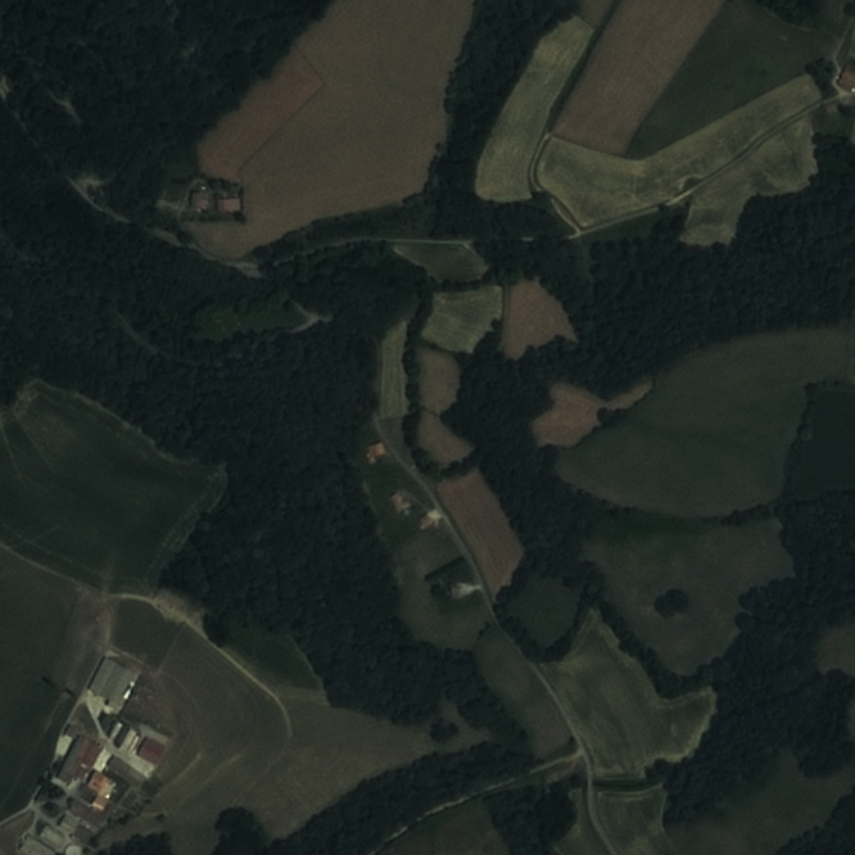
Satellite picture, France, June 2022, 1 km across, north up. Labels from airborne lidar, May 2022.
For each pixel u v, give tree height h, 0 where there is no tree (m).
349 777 0
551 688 0
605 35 0
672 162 0
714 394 0
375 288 20
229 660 0
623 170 0
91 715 0
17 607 0
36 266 16
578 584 22
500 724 18
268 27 30
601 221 0
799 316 15
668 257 12
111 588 0
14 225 26
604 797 0
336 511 15
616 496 0
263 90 0
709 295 14
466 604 0
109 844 0
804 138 0
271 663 0
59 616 0
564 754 0
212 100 25
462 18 0
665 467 0
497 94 13
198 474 0
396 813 16
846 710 23
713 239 0
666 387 0
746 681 30
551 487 20
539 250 26
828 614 25
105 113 30
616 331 24
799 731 13
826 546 26
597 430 9
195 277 15
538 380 16
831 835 7
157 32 28
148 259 15
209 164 0
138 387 26
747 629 24
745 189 0
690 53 0
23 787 0
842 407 0
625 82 0
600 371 25
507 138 0
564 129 0
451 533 0
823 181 18
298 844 15
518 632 26
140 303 20
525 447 22
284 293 19
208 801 0
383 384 0
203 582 21
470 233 23
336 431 22
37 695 0
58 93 14
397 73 0
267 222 0
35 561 0
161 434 14
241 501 18
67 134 23
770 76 0
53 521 0
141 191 21
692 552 0
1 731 0
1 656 0
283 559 21
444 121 0
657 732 0
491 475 22
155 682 0
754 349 0
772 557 0
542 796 12
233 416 22
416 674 25
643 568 0
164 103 24
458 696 20
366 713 8
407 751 0
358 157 0
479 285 11
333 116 0
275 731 0
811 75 12
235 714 0
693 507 0
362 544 19
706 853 0
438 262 0
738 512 9
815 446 0
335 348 13
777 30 0
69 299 18
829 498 16
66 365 19
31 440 0
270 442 21
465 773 20
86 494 0
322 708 0
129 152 24
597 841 0
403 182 0
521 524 21
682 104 0
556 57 0
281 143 0
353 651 20
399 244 0
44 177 16
